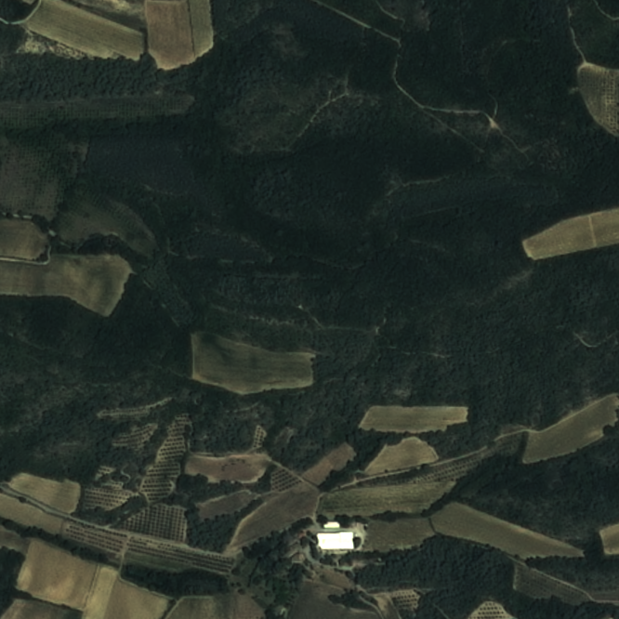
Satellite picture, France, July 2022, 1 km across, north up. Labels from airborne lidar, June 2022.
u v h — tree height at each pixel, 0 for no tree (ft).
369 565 22
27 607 0
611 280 35
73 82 45
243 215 31
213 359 0
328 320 20
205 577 42
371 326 42
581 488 35
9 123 22
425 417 0
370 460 22
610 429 33
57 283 0
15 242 0
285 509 0
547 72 36
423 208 33
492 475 22
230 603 0
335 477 49
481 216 23
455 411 0
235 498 0
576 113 22
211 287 19
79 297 0
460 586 26
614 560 20
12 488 0
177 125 52
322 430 46
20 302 26
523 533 0
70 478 23
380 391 33
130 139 30
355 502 0
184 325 35
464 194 36
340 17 35
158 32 0
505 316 21
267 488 40
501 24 26
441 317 21
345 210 22
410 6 0
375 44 26
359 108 38
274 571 54
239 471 0
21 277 0
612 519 24
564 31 24
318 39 31
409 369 41
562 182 31
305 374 0
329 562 27
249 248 31
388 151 22
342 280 29
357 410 41
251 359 0
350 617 0
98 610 0
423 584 18
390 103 24
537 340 31
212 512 0
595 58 19
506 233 26
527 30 48
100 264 0
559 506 34
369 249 24
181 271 21
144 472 53
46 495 0
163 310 49
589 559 25
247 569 0
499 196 28
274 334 24
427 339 20
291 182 31
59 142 20
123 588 0
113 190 40
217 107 39
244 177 23
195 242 37
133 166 32
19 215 25
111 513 18
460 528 0
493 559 56
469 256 26
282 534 34
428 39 37
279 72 36
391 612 0
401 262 35
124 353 28
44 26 0
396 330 19
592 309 29
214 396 34
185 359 27
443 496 28
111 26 0
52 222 24
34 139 32
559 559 43
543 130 22
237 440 40
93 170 30
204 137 49
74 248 35
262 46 20
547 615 20
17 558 29
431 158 24
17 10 26
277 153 31
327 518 32
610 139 32
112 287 0
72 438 37
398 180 24
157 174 23
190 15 0
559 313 62
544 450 0
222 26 27
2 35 24
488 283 23
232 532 40
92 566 0
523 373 28
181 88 32
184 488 28
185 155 25
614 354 24
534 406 21
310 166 21
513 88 24
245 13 29
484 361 50
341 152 23
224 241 28
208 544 56
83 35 0
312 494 0
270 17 40
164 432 34
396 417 0
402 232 24
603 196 28
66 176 24
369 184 18
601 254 36
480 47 28
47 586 0
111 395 21
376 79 25
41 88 40
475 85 26
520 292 28
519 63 18
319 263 29
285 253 21
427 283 30
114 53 0
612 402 0
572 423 0
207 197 25
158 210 25
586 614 48
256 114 27
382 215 22
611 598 0
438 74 23
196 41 0
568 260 24
